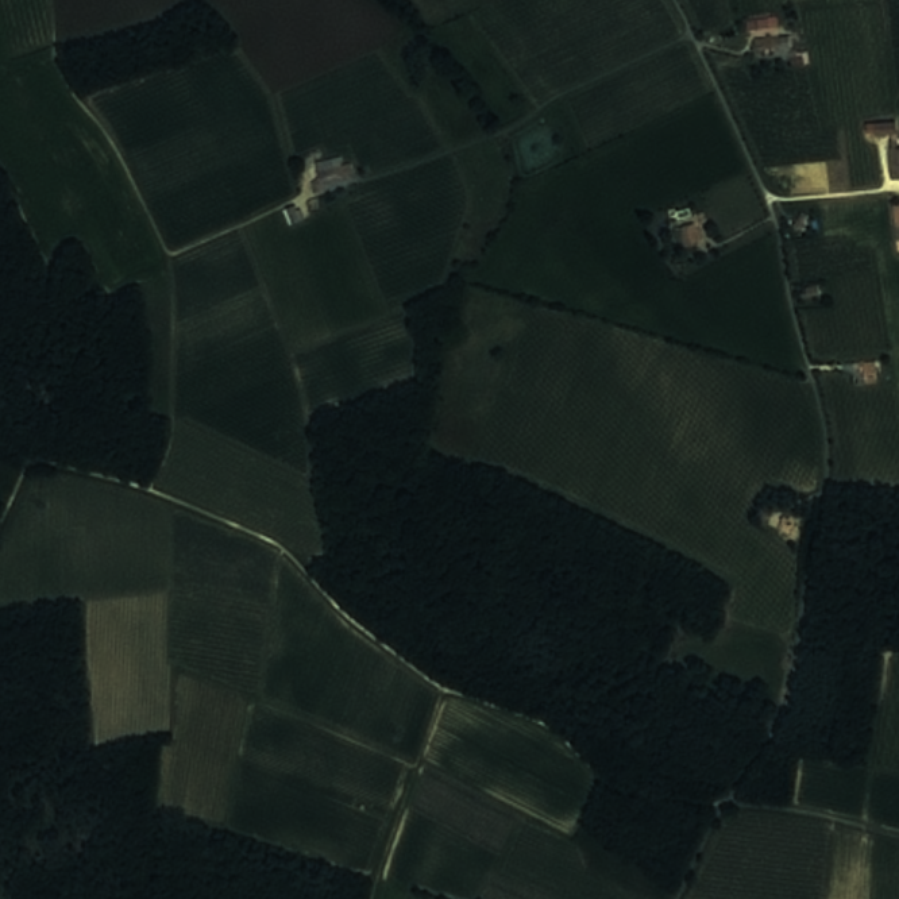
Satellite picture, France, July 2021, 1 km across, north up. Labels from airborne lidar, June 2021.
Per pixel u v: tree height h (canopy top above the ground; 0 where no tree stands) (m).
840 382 0
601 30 0
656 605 19
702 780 8
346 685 0
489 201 0
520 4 0
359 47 0
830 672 19
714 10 0
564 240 0
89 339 21
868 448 0
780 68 7
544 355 0
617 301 0
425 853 0
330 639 0
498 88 0
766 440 0
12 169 0
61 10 0
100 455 15
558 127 0
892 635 23
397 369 0
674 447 0
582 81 0
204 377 0
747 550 0
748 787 15
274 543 0
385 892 0
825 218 0
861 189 0
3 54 0
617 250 0
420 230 0
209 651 0
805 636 16
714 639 14
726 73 0
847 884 0
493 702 13
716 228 13
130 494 0
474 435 0
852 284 0
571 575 28
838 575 24
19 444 18
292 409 0
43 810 22
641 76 0
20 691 15
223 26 19
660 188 0
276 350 0
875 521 17
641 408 0
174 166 0
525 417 0
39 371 21
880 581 22
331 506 17
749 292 0
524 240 0
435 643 19
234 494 0
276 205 0
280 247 0
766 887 0
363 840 0
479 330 0
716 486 0
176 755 0
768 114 0
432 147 0
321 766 0
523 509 25
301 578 0
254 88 0
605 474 0
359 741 0
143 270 0
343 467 24
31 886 16
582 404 0
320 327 0
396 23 0
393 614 19
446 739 0
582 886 0
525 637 21
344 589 14
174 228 0
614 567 27
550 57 0
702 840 14
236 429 0
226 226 0
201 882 18
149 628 0
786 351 0
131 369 21
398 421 22
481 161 0
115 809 20
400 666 0
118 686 0
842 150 0
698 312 0
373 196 0
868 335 0
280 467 0
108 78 16
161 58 15
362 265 0
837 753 19
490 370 0
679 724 13
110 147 0
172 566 0
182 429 0
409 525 27
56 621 18
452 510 27
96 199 0
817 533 18
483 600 27
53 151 0
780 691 0
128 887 22
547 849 0
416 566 20
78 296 18
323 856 0
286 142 0
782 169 0
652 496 0
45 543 0
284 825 0
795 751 16
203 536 0
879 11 0
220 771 0
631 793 14
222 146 0
